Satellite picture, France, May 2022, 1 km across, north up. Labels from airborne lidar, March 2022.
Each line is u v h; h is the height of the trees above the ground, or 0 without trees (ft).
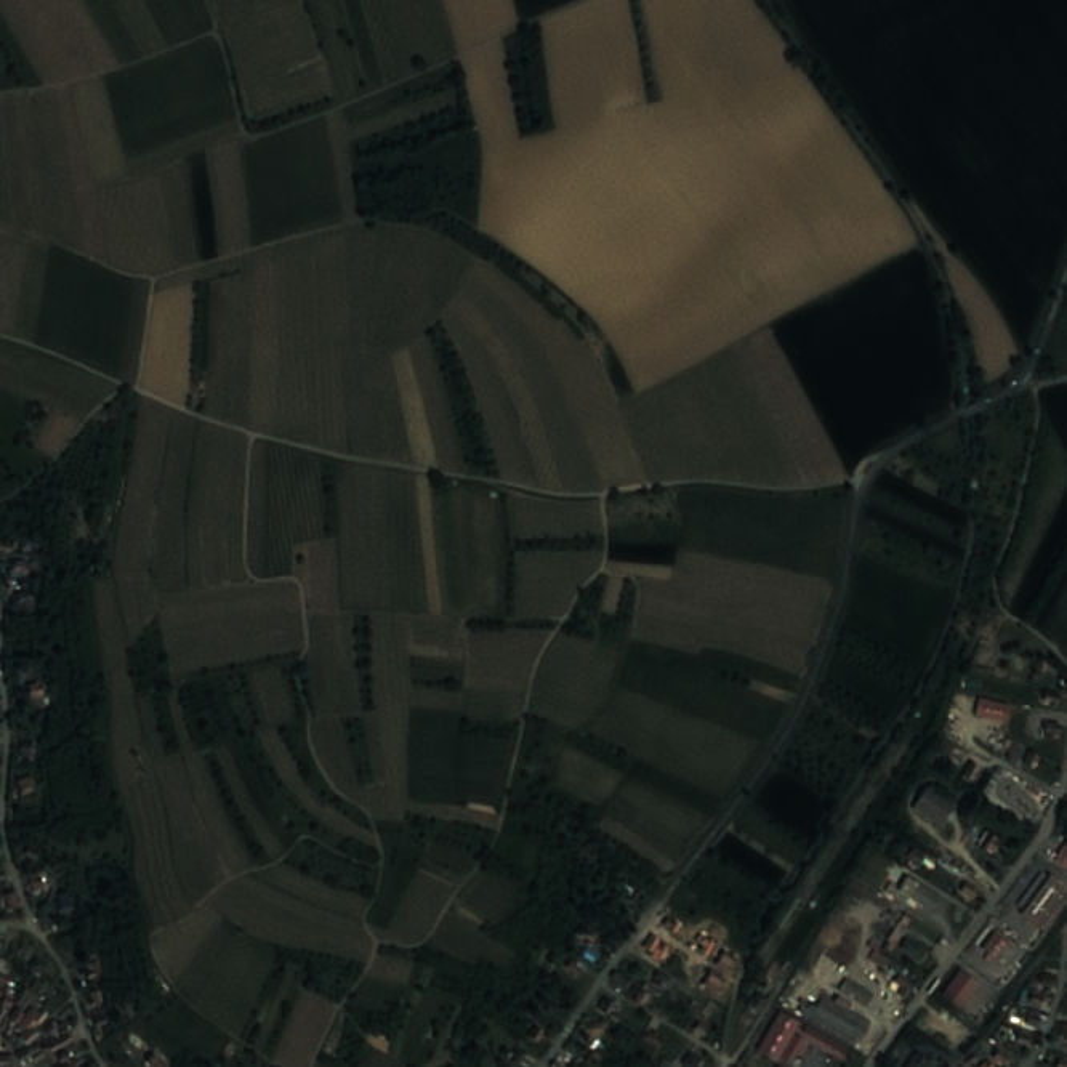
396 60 0
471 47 0
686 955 0
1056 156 0
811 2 0
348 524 0
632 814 0
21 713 25
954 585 0
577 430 0
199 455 0
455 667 0
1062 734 0
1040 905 0
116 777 0
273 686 0
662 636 0
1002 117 0
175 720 0
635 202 0
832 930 0
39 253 0
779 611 0
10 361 0
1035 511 0
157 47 0
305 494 0
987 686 0
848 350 0
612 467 0
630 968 30
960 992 0
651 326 0
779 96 0
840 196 0
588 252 0
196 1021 0
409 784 0
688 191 0
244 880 0
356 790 0
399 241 0
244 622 0
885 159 0
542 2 0
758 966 27
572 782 0
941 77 0
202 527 0
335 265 0
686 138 0
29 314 0
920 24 0
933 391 0
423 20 0
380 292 0
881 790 0
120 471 0
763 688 0
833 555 0
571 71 0
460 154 0
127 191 0
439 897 0
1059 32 0
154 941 0
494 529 0
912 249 0
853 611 0
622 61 0
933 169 0
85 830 28
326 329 0
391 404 0
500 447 0
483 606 0
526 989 21
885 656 19
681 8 0
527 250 0
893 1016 0
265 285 0
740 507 0
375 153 35
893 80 0
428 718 0
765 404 0
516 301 0
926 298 0
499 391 0
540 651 0
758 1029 0
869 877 0
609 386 0
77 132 0
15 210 0
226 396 0
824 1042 0
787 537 0
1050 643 0
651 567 0
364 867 21
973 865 0
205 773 0
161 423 0
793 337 0
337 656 0
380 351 0
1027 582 0
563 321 0
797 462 0
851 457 0
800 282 0
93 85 0
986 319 0
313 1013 0
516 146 0
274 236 0
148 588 0
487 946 0
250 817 0
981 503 23
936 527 0
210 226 0
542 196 0
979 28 0
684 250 0
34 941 0
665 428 0
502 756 0
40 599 34
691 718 0
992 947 0
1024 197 0
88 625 0
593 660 0
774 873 0
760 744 0
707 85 0
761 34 0
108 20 0
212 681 0
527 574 0
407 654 0
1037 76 0
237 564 0
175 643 0
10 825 36
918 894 0
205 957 0
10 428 0
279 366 0
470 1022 30
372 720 0
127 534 0
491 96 0
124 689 0
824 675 0
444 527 0
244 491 0
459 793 0
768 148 0
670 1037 0
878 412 0
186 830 0
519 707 0
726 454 0
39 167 0
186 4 0
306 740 0
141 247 0
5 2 0
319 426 0
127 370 0
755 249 0
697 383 0
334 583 0
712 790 0
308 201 0
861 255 0
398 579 0
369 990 0
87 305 0
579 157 0
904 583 0
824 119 0
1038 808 0
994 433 0
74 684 19
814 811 0
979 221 0
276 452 0
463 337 0
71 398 0
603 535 0
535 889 34
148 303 0
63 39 0
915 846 32
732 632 0
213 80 0
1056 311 0
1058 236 0
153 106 0
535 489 0
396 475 0
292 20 0
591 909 64
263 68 0
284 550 0
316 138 0
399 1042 0
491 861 29
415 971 0
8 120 0
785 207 0
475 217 0
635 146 0
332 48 0
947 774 54
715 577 0
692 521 0
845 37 0
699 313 0
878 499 0
